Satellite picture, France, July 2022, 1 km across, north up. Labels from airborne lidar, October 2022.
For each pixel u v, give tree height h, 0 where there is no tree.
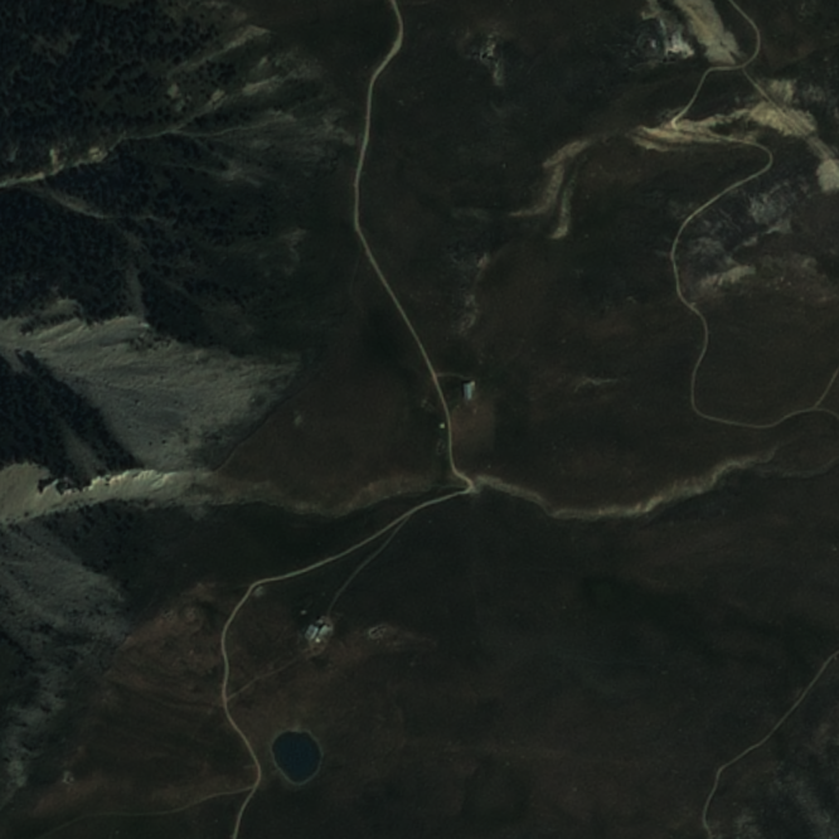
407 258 0
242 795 0
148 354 0
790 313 0
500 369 0
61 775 0
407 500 0
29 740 0
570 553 0
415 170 0
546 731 0
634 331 0
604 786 0
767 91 0
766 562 0
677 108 0
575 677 0
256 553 0
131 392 0
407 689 0
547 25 0
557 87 0
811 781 0
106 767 0
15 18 10
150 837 0
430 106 0
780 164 0
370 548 0
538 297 0
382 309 0
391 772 0
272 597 0
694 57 0
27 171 7
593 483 0
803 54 0
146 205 11
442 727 0
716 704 0
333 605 0
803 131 0
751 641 0
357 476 0
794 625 0
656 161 0
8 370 11
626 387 0
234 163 0
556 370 0
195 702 0
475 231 0
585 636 0
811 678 0
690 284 0
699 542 0
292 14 0
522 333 0
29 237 18
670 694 0
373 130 0
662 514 0
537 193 0
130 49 11
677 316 0
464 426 0
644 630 0
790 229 0
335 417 0
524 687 0
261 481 0
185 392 0
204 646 0
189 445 0
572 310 0
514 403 0
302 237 0
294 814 0
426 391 0
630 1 0
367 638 0
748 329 0
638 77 0
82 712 0
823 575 0
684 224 0
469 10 0
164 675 0
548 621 0
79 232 7
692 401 0
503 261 0
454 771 0
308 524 0
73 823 0
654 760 0
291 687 0
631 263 0
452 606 0
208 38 8
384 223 0
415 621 0
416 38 0
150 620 0
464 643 0
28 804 0
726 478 0
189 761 0
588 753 0
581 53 0
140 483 0
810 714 0
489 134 0
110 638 0
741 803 0
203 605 0
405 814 0
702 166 0
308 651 0
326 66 0
